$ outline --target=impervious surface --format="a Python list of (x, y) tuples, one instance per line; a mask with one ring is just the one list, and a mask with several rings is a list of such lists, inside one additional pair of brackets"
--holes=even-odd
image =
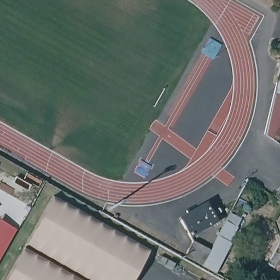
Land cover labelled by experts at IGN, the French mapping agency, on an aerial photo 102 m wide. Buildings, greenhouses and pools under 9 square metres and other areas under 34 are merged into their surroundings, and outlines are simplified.
[(52, 266), (70, 273), (74, 276), (73, 280), (89, 280), (33, 246), (28, 246), (26, 249), (28, 253), (35, 254), (49, 261)]
[(0, 219), (3, 218), (3, 221), (16, 230), (22, 229), (20, 224), (30, 211), (30, 207), (0, 189)]
[(68, 157), (47, 148), (46, 145), (0, 120), (0, 155), (25, 168), (28, 173), (39, 179), (47, 180), (49, 184), (59, 188), (61, 194), (66, 197), (100, 213), (157, 246), (157, 252), (151, 252), (137, 280), (198, 280), (190, 275), (187, 269), (163, 257), (165, 253), (188, 262), (212, 280), (219, 280), (219, 275), (214, 275), (202, 267), (184, 257), (189, 252), (188, 245), (191, 243), (180, 220), (186, 217), (191, 206), (209, 199), (213, 211), (221, 221), (210, 223), (208, 229), (194, 233), (194, 240), (212, 248), (217, 240), (217, 233), (222, 230), (222, 219), (232, 213), (225, 205), (242, 194), (248, 179), (268, 192), (276, 195), (280, 203), (280, 142), (269, 136), (269, 127), (280, 82), (280, 0), (187, 0), (208, 17), (212, 23), (210, 32), (203, 37), (196, 55), (189, 61), (183, 78), (165, 105), (162, 115), (152, 122), (152, 133), (141, 152), (133, 159), (124, 182), (86, 170)]

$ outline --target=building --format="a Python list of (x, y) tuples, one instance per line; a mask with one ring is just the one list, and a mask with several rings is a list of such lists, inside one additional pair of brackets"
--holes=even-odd
[(30, 240), (26, 242), (28, 246), (33, 246), (89, 280), (137, 280), (151, 252), (56, 198), (48, 202)]
[(16, 230), (3, 221), (3, 218), (0, 219), (0, 259)]
[(269, 136), (280, 142), (280, 82), (269, 127)]
[(180, 220), (191, 243), (188, 245), (189, 252), (184, 257), (202, 267), (205, 265), (213, 271), (219, 271), (230, 248), (238, 227), (241, 218), (232, 213), (222, 219), (222, 230), (217, 233), (217, 240), (212, 248), (194, 240), (194, 233), (208, 229), (210, 223), (221, 221), (213, 211), (209, 199), (191, 206), (186, 217)]
[(280, 245), (275, 256), (268, 260), (270, 267), (280, 271)]
[(15, 261), (9, 275), (11, 280), (73, 280), (74, 276), (70, 273), (52, 266), (49, 261), (35, 254), (28, 253), (26, 249), (23, 249)]

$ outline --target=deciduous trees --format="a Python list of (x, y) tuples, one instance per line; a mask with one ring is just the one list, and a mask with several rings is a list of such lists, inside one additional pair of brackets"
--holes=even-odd
[(268, 192), (248, 179), (242, 194), (225, 205), (232, 213), (241, 218), (250, 210), (258, 210), (267, 205)]
[(253, 215), (252, 221), (245, 225), (246, 233), (242, 233), (242, 229), (238, 227), (230, 248), (232, 253), (235, 253), (234, 262), (225, 272), (230, 280), (255, 280), (257, 270), (244, 270), (238, 258), (266, 259), (261, 231), (255, 227), (255, 221), (261, 215)]

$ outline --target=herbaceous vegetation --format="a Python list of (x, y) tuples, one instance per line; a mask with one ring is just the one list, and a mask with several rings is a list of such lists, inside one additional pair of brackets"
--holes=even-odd
[(212, 280), (188, 262), (165, 253), (163, 257), (187, 269), (190, 275), (198, 280)]
[(30, 207), (30, 211), (20, 224), (22, 229), (16, 230), (0, 259), (0, 280), (11, 280), (9, 275), (15, 261), (23, 249), (26, 249), (28, 246), (26, 242), (30, 240), (48, 202), (56, 198), (151, 252), (157, 252), (157, 246), (100, 213), (66, 197), (61, 194), (59, 188), (49, 184), (47, 180), (39, 179), (28, 173), (25, 168), (0, 155), (0, 189)]
[(280, 280), (280, 271), (270, 267), (268, 260), (275, 256), (280, 245), (280, 235), (269, 229), (265, 218), (271, 218), (276, 211), (267, 205), (258, 210), (250, 210), (241, 218), (238, 227), (242, 229), (242, 233), (246, 233), (245, 225), (252, 221), (253, 215), (261, 215), (255, 221), (255, 227), (261, 231), (266, 259), (238, 258), (244, 270), (257, 270), (255, 280)]
[(183, 78), (189, 61), (196, 55), (203, 37), (210, 32), (212, 23), (208, 17), (187, 0), (0, 0), (0, 120), (46, 145), (47, 148), (68, 157), (86, 170), (124, 182), (133, 159), (141, 152), (152, 133), (152, 122), (162, 115), (165, 105)]
[(205, 265), (202, 267), (214, 275), (219, 275), (219, 280), (230, 280), (225, 272), (234, 262), (235, 253), (232, 253), (230, 248), (219, 271), (213, 271)]

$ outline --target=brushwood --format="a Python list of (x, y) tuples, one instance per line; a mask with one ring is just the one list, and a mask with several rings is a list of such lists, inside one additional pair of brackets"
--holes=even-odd
[(280, 203), (276, 195), (268, 192), (267, 205), (276, 211), (271, 218), (265, 218), (269, 229), (280, 235)]

